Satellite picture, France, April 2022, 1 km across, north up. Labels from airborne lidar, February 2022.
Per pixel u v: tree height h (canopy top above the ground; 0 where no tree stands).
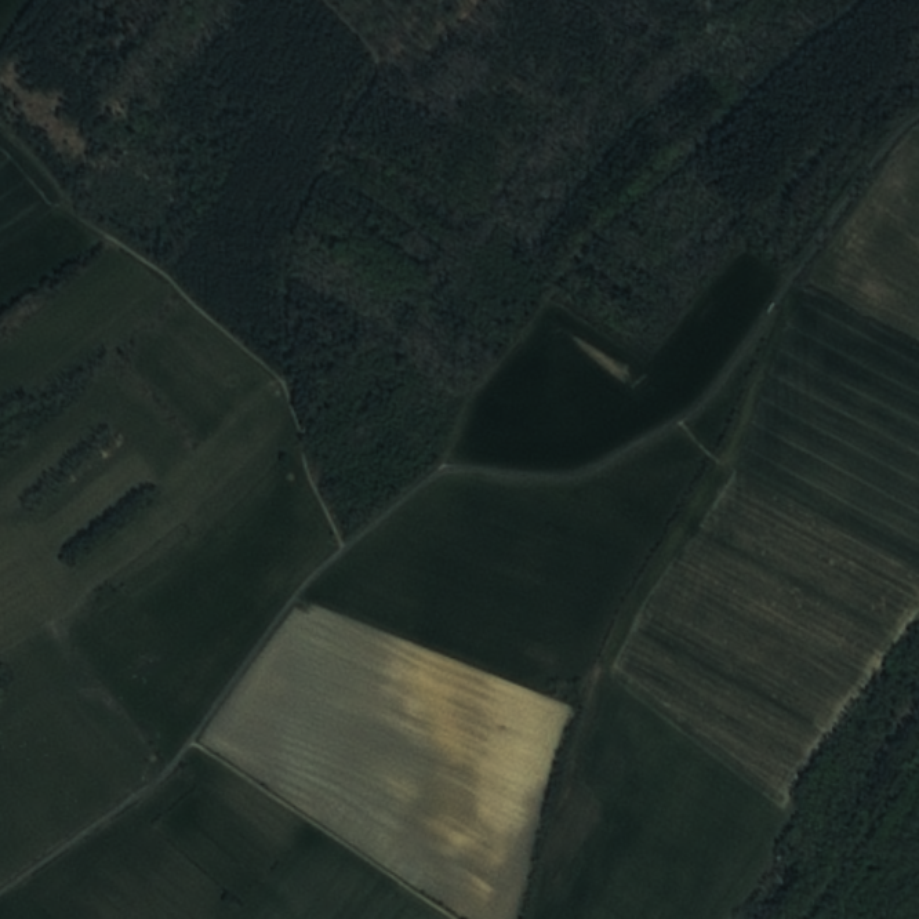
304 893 0
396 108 23
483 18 19
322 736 0
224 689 0
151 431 0
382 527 0
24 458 0
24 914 0
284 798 0
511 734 0
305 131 9
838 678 0
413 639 0
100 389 0
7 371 0
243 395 0
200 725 0
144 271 0
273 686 0
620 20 27
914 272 0
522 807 0
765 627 0
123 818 0
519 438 0
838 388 0
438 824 0
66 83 15
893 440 0
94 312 0
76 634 0
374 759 0
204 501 0
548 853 0
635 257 14
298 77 14
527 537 0
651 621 0
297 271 14
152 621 0
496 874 0
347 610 0
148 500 16
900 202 0
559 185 18
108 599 0
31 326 0
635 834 0
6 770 0
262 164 15
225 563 0
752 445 0
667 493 0
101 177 6
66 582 0
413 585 0
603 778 0
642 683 0
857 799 22
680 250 24
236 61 13
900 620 0
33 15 16
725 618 0
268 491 0
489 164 12
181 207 11
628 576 0
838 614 0
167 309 0
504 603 0
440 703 0
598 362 0
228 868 0
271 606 0
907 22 25
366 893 0
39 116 0
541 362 0
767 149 26
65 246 0
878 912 23
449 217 14
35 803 0
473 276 9
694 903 0
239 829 0
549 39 21
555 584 0
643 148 19
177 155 18
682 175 12
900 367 0
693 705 0
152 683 0
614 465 0
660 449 0
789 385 0
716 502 0
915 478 0
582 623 0
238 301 15
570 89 18
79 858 0
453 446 0
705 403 0
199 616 0
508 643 0
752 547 0
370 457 9
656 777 0
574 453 0
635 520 0
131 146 6
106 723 0
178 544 0
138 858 0
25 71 11
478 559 0
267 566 0
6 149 0
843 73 27
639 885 0
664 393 0
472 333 20
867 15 23
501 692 0
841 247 0
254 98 13
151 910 0
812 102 27
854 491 0
